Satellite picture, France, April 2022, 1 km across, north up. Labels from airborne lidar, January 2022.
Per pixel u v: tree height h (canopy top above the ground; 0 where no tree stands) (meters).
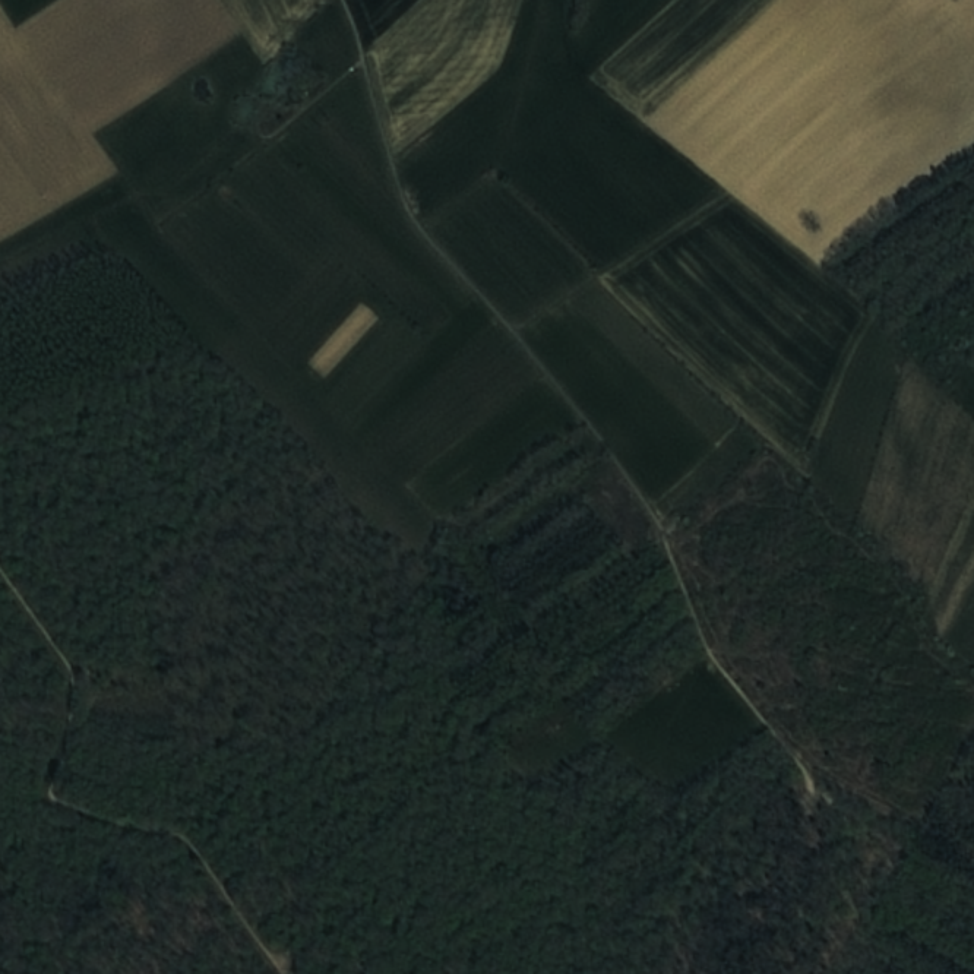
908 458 0
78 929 25
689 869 28
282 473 31
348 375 0
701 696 0
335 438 0
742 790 25
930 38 0
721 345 0
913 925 21
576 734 0
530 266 0
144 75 0
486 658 25
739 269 0
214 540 25
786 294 0
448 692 26
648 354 0
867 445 0
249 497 30
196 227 0
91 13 0
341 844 26
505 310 0
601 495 0
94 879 27
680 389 0
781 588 9
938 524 0
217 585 31
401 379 0
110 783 20
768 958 31
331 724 24
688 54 0
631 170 0
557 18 0
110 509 26
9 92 0
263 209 0
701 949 10
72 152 0
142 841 21
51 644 0
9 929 32
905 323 19
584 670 27
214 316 0
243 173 0
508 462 0
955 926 19
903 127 0
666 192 0
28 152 0
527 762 0
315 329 0
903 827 24
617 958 24
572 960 27
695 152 0
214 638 30
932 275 25
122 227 0
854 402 0
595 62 0
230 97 0
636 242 0
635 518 0
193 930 29
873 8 0
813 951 19
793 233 0
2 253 0
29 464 27
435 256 0
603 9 0
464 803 27
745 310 0
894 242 22
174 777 21
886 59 0
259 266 0
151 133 0
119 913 29
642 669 25
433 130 0
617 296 0
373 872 26
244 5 0
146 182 0
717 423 0
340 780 24
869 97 0
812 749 0
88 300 0
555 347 0
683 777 0
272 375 0
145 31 0
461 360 0
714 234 0
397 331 0
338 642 24
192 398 25
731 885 26
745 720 0
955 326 8
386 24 0
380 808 27
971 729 0
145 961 32
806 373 0
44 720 25
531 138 0
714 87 0
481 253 0
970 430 0
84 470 30
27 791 25
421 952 23
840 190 0
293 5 0
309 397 0
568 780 20
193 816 25
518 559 19
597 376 0
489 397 0
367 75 0
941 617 0
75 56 0
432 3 0
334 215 0
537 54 0
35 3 0
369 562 28
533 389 0
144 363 14
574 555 20
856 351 0
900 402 0
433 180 0
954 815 21
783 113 0
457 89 0
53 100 0
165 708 0
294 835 25
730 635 0
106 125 0
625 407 0
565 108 0
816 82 0
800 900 21
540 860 25
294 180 0
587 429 11
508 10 0
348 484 0
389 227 0
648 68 0
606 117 0
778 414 0
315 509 27
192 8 0
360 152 0
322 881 28
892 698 8
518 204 0
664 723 0
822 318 0
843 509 0
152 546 29
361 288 0
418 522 0
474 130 0
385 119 0
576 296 0
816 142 0
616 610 11
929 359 7
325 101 0
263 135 0
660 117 0
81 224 0
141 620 25
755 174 0
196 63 0
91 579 24
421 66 0
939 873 21
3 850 26
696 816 20
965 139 0
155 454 25
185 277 0
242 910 27
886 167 0
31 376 0
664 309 0
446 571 26
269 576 27
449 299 0
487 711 24
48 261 0
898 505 0
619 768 23
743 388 0
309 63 16
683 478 0
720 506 0
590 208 0
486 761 22
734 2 0
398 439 0
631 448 0
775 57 0
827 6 0
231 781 20
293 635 30
